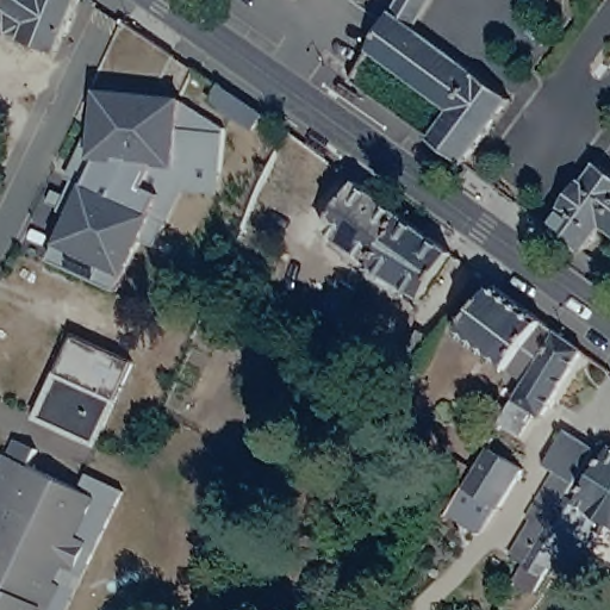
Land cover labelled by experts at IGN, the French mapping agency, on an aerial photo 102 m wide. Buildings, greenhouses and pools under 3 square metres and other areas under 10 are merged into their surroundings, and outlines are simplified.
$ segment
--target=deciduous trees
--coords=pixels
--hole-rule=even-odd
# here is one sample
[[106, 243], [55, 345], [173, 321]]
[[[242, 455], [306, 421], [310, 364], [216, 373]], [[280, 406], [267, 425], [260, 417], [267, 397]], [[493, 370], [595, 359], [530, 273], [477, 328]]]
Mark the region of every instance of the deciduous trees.
[[491, 186], [508, 174], [510, 167], [503, 155], [488, 153], [481, 157], [474, 153], [474, 157], [474, 174]]
[[589, 565], [579, 567], [577, 577], [553, 572], [553, 581], [543, 600], [546, 610], [610, 610], [610, 562], [596, 555]]
[[172, 467], [160, 455], [160, 450], [167, 446], [169, 436], [176, 429], [160, 417], [157, 410], [148, 407], [138, 412], [133, 422], [124, 419], [122, 434], [107, 429], [100, 434], [95, 446], [100, 448], [100, 453], [119, 455], [122, 462], [129, 467], [145, 467], [160, 481], [162, 491], [179, 493], [179, 486], [186, 479], [181, 477], [179, 467]]
[[415, 172], [415, 186], [424, 198], [453, 200], [462, 195], [462, 174], [448, 174], [436, 162], [419, 162], [419, 169]]
[[226, 591], [234, 586], [267, 586], [269, 581], [257, 579], [245, 562], [234, 562], [231, 555], [226, 555], [222, 548], [203, 548], [203, 555], [191, 555], [186, 565], [191, 593], [195, 589]]
[[503, 83], [522, 86], [527, 81], [534, 81], [531, 55], [517, 57], [512, 48], [505, 41], [486, 43], [481, 48], [481, 62], [491, 67]]
[[569, 0], [517, 0], [517, 5], [508, 12], [508, 26], [515, 33], [522, 33], [524, 38], [531, 45], [541, 43], [546, 48], [555, 50], [558, 43], [565, 41], [565, 36], [574, 31]]
[[403, 183], [369, 179], [362, 181], [362, 186], [357, 188], [367, 193], [374, 200], [374, 205], [384, 207], [386, 212], [393, 212], [393, 207], [398, 207], [400, 203], [407, 203]]
[[[419, 503], [417, 508], [398, 508], [396, 512], [386, 515], [374, 515], [376, 493], [372, 493], [360, 477], [343, 479], [341, 486], [336, 486], [334, 498], [319, 498], [315, 493], [298, 491], [295, 505], [293, 512], [300, 515], [300, 522], [305, 524], [298, 527], [298, 534], [305, 539], [300, 541], [295, 555], [295, 560], [303, 565], [303, 572], [298, 581], [293, 581], [298, 603], [286, 610], [379, 610], [388, 600], [398, 598], [400, 579], [410, 569], [415, 569], [417, 553], [424, 546], [429, 546], [427, 539], [434, 524], [441, 519], [446, 503], [455, 493], [455, 486], [448, 484], [441, 474], [429, 474], [422, 484], [424, 488], [429, 488], [424, 503]], [[336, 553], [353, 550], [353, 546], [365, 536], [374, 539], [376, 553], [381, 558], [374, 567], [360, 569], [357, 577], [346, 584], [346, 589], [338, 589], [338, 562], [334, 558]]]
[[193, 31], [203, 33], [214, 31], [226, 21], [231, 0], [169, 0], [169, 14], [191, 26]]
[[386, 369], [379, 362], [384, 355], [376, 353], [369, 343], [362, 343], [360, 336], [353, 336], [348, 343], [341, 343], [341, 353], [329, 353], [326, 362], [310, 360], [307, 338], [312, 334], [312, 324], [319, 319], [319, 312], [310, 310], [305, 317], [293, 317], [288, 312], [279, 312], [274, 310], [274, 291], [269, 288], [274, 281], [272, 264], [281, 257], [286, 248], [284, 234], [253, 229], [245, 243], [238, 241], [226, 245], [219, 236], [212, 236], [212, 243], [205, 250], [205, 260], [210, 260], [219, 272], [214, 281], [203, 281], [179, 272], [160, 269], [153, 264], [145, 269], [148, 293], [129, 298], [126, 303], [117, 300], [114, 305], [114, 317], [117, 324], [124, 326], [124, 334], [117, 334], [112, 341], [129, 353], [136, 348], [143, 334], [160, 336], [172, 329], [183, 331], [188, 324], [200, 326], [200, 336], [207, 343], [226, 350], [253, 350], [264, 357], [274, 357], [279, 365], [276, 372], [281, 381], [288, 386], [293, 400], [307, 398], [310, 412], [317, 419], [334, 422], [324, 441], [343, 446], [374, 417], [410, 410], [412, 386], [419, 376], [424, 376], [424, 367], [429, 365], [436, 350], [441, 331], [448, 329], [448, 319], [434, 326], [429, 334], [424, 334], [419, 343], [407, 343], [407, 357]]
[[610, 274], [603, 274], [600, 281], [591, 281], [586, 286], [589, 298], [584, 307], [591, 310], [593, 319], [610, 322]]
[[10, 112], [0, 112], [0, 167], [7, 153]]
[[539, 191], [534, 186], [522, 186], [517, 188], [519, 210], [539, 207], [543, 198], [539, 195]]
[[500, 431], [496, 429], [496, 419], [503, 412], [503, 407], [496, 405], [491, 398], [474, 393], [458, 398], [453, 405], [448, 405], [448, 412], [453, 415], [453, 422], [458, 427], [455, 443], [465, 443], [474, 453], [479, 446], [488, 443], [500, 441]]
[[567, 257], [572, 257], [569, 248], [565, 245], [541, 238], [517, 243], [515, 253], [519, 272], [539, 281], [553, 281], [565, 272]]
[[431, 610], [500, 610], [500, 605], [508, 598], [522, 598], [529, 589], [517, 586], [512, 579], [503, 574], [484, 574], [484, 565], [477, 565], [465, 577], [465, 581], [458, 584], [455, 591], [446, 600], [438, 600]]
[[284, 148], [288, 136], [284, 131], [286, 117], [276, 122], [274, 114], [257, 114], [257, 124], [262, 143], [272, 145], [274, 150]]

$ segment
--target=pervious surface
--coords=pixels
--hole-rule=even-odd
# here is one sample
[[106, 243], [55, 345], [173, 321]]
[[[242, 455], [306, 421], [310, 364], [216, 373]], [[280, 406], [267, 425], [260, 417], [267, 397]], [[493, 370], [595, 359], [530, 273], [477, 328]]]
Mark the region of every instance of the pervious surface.
[[7, 153], [14, 153], [14, 145], [24, 131], [26, 110], [48, 88], [52, 71], [57, 69], [55, 60], [41, 50], [29, 50], [7, 36], [0, 36], [0, 112], [10, 112]]
[[295, 243], [307, 245], [310, 253], [324, 257], [331, 269], [336, 267], [341, 248], [319, 234], [326, 219], [322, 219], [319, 214], [312, 207], [307, 214], [300, 214], [295, 222], [288, 222], [286, 234]]

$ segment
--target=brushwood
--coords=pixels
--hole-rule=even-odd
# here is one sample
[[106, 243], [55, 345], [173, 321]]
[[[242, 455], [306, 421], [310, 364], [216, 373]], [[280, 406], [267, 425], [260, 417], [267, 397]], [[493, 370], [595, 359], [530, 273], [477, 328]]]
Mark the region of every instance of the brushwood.
[[362, 52], [350, 71], [348, 83], [355, 86], [360, 95], [369, 95], [376, 105], [386, 107], [405, 124], [419, 129], [431, 117], [434, 102], [410, 83], [405, 83], [400, 76], [396, 76], [391, 69], [386, 69], [381, 62], [376, 62], [372, 55]]
[[238, 241], [241, 217], [262, 174], [262, 167], [253, 164], [245, 172], [224, 176], [224, 186], [214, 195], [205, 224], [193, 234], [183, 234], [188, 238], [186, 243], [193, 260], [186, 262], [179, 272], [203, 281], [214, 281], [219, 272], [210, 260], [205, 260], [205, 250], [212, 243], [212, 236], [219, 236], [226, 245]]
[[45, 262], [43, 257], [19, 257], [19, 245], [24, 241], [17, 238], [12, 241], [5, 262], [0, 264], [0, 274], [10, 276], [12, 272], [31, 272], [38, 276], [45, 269], [50, 269], [64, 274], [69, 281], [83, 286], [88, 293], [102, 295], [114, 305], [117, 300], [117, 291], [102, 288], [93, 284], [88, 276], [81, 276], [62, 264]]
[[176, 391], [176, 396], [186, 396], [195, 388], [200, 369], [198, 365], [191, 365], [186, 360], [186, 355], [198, 346], [193, 343], [193, 338], [181, 343], [179, 355], [172, 365], [176, 374], [169, 388]]
[[534, 81], [546, 81], [555, 76], [574, 43], [579, 41], [579, 36], [605, 5], [605, 0], [569, 0], [574, 31], [565, 36], [565, 41], [558, 43], [555, 50], [546, 48], [541, 57], [531, 55]]
[[69, 122], [57, 150], [57, 155], [64, 160], [76, 141], [81, 119]]
[[424, 546], [417, 553], [415, 569], [410, 569], [400, 579], [398, 598], [388, 600], [379, 610], [412, 610], [415, 598], [434, 584], [429, 569], [446, 572], [460, 558], [462, 546], [458, 529], [455, 519], [441, 519], [434, 524], [427, 539], [429, 546]]

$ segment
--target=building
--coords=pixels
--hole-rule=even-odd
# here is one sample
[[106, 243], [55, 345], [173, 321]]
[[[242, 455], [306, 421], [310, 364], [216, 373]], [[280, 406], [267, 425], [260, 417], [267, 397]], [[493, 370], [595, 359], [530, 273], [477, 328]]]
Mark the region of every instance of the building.
[[329, 200], [329, 205], [319, 214], [322, 219], [326, 219], [319, 234], [341, 248], [336, 267], [355, 269], [393, 300], [398, 300], [403, 293], [427, 293], [429, 284], [436, 288], [443, 279], [443, 274], [438, 272], [446, 264], [448, 255], [441, 253], [441, 245], [429, 243], [422, 231], [403, 224], [393, 212], [386, 212], [384, 207], [374, 205], [374, 200], [367, 193], [357, 188], [353, 183], [343, 183], [341, 191]]
[[465, 465], [460, 474], [460, 481], [455, 486], [455, 493], [446, 503], [441, 519], [455, 519], [458, 529], [465, 527], [477, 531], [481, 527], [484, 531], [491, 531], [519, 481], [529, 479], [529, 469], [519, 462], [519, 467], [512, 467], [510, 462], [500, 460], [488, 443], [479, 446], [474, 453], [477, 460], [472, 465]]
[[167, 210], [176, 193], [214, 195], [224, 186], [224, 176], [226, 133], [222, 126], [207, 122], [205, 117], [195, 114], [176, 100], [138, 93], [91, 91], [83, 86], [81, 119], [76, 141], [79, 148], [74, 150], [69, 167], [62, 169], [62, 181], [45, 183], [50, 191], [45, 195], [45, 203], [52, 207], [60, 222], [52, 234], [52, 248], [43, 257], [45, 262], [62, 264], [81, 276], [88, 276], [93, 284], [102, 288], [117, 291], [136, 253], [150, 248], [153, 241], [164, 231], [164, 226], [169, 226]]
[[10, 436], [5, 438], [5, 443], [0, 441], [0, 610], [67, 610], [122, 503], [122, 493], [102, 481], [81, 477], [79, 481], [69, 488], [36, 472], [31, 460], [38, 453], [33, 448], [17, 443]]
[[133, 374], [133, 365], [110, 357], [107, 353], [95, 348], [83, 348], [76, 341], [64, 343], [55, 369], [48, 374], [36, 398], [36, 405], [29, 412], [31, 424], [64, 441], [91, 448], [95, 446], [100, 434], [107, 429], [117, 403], [124, 398], [124, 386]]
[[479, 348], [481, 355], [498, 362], [498, 372], [508, 372], [508, 376], [517, 381], [515, 388], [508, 391], [515, 400], [503, 407], [503, 412], [496, 419], [496, 429], [500, 431], [522, 441], [534, 429], [541, 429], [546, 424], [550, 427], [550, 436], [539, 453], [539, 460], [546, 469], [543, 479], [539, 488], [531, 493], [529, 503], [524, 505], [524, 517], [508, 541], [508, 558], [503, 562], [510, 567], [512, 579], [517, 586], [529, 589], [534, 586], [541, 569], [550, 567], [553, 572], [577, 577], [579, 567], [589, 565], [596, 555], [593, 550], [596, 541], [600, 539], [600, 529], [610, 529], [610, 450], [603, 458], [591, 460], [586, 474], [581, 474], [579, 484], [574, 484], [572, 465], [577, 465], [579, 455], [589, 446], [584, 441], [577, 441], [572, 434], [553, 429], [553, 422], [560, 422], [558, 417], [565, 407], [560, 400], [567, 393], [574, 374], [589, 365], [589, 360], [574, 350], [572, 341], [567, 341], [560, 331], [548, 329], [541, 322], [534, 322], [529, 315], [522, 315], [519, 307], [510, 305], [503, 295], [498, 295], [491, 288], [474, 293], [469, 300], [465, 300], [465, 305], [453, 319], [448, 319], [448, 329], [460, 334], [460, 338], [469, 341], [474, 348]]
[[565, 245], [569, 248], [572, 257], [581, 255], [584, 250], [591, 250], [596, 248], [603, 257], [610, 257], [610, 176], [603, 174], [593, 162], [589, 162], [577, 174], [577, 179], [558, 195], [546, 224], [558, 236], [562, 236]]
[[55, 60], [64, 36], [71, 31], [71, 24], [76, 19], [79, 0], [0, 0], [0, 36], [7, 36], [29, 50], [41, 50]]
[[391, 69], [396, 76], [400, 76], [405, 83], [410, 83], [434, 102], [431, 117], [419, 129], [419, 143], [434, 150], [436, 155], [455, 160], [458, 164], [474, 157], [474, 153], [486, 136], [491, 136], [493, 124], [508, 110], [508, 100], [486, 88], [474, 74], [467, 71], [467, 67], [462, 67], [429, 38], [415, 31], [415, 24], [424, 19], [434, 0], [391, 0], [386, 12], [367, 33], [367, 45], [362, 52], [372, 55], [376, 62], [381, 62], [386, 69]]
[[255, 110], [250, 110], [248, 105], [243, 105], [241, 100], [236, 100], [217, 86], [210, 93], [214, 98], [214, 105], [229, 112], [231, 119], [241, 126], [257, 124], [257, 114]]

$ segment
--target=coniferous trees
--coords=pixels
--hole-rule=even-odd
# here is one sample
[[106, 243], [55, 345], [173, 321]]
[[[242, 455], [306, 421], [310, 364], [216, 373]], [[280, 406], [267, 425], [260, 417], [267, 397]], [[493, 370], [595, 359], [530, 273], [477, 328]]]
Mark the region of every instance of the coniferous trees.
[[419, 503], [424, 503], [429, 488], [424, 488], [422, 484], [429, 474], [441, 474], [448, 484], [455, 486], [460, 481], [460, 474], [450, 462], [455, 450], [450, 446], [441, 453], [431, 453], [424, 443], [405, 443], [405, 431], [412, 427], [410, 410], [374, 417], [343, 446], [324, 441], [303, 443], [300, 448], [295, 448], [295, 424], [281, 419], [267, 422], [262, 429], [245, 431], [243, 443], [250, 450], [250, 455], [267, 465], [276, 465], [284, 472], [284, 481], [298, 491], [315, 493], [319, 498], [334, 498], [336, 486], [341, 486], [343, 479], [360, 477], [372, 493], [376, 493], [374, 515], [386, 515], [396, 512], [398, 508], [417, 508]]
[[295, 555], [300, 541], [305, 539], [298, 534], [298, 527], [305, 524], [300, 522], [300, 515], [293, 512], [295, 505], [262, 498], [257, 505], [250, 505], [245, 512], [241, 512], [241, 524], [231, 524], [229, 519], [224, 519], [217, 491], [207, 491], [205, 498], [195, 496], [195, 512], [188, 519], [188, 531], [198, 531], [203, 536], [203, 548], [222, 548], [226, 555], [231, 555], [234, 562], [245, 562], [257, 579], [269, 581], [276, 577], [286, 577], [293, 581], [298, 581], [303, 572], [303, 565], [295, 560]]

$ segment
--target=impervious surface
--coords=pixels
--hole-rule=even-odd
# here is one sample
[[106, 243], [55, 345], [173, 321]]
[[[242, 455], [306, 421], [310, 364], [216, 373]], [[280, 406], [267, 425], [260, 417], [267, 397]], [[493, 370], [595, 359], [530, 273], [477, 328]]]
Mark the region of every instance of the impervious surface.
[[0, 441], [5, 443], [5, 438], [10, 436], [17, 443], [33, 448], [38, 453], [31, 460], [36, 472], [69, 488], [79, 481], [74, 469], [93, 462], [91, 448], [64, 441], [31, 424], [29, 412], [7, 407], [5, 403], [0, 405]]
[[[7, 153], [0, 167], [0, 264], [5, 262], [12, 241], [17, 238], [24, 241], [19, 245], [19, 257], [43, 257], [52, 248], [52, 234], [60, 222], [52, 207], [45, 203], [45, 195], [50, 191], [45, 183], [62, 181], [62, 169], [69, 167], [74, 150], [79, 148], [76, 141], [64, 160], [57, 155], [57, 150], [69, 122], [81, 119], [83, 86], [86, 67], [100, 67], [100, 60], [112, 36], [117, 38], [126, 26], [145, 41], [150, 41], [153, 45], [157, 45], [176, 62], [181, 62], [183, 67], [193, 69], [198, 76], [217, 86], [236, 100], [241, 100], [243, 105], [248, 105], [250, 110], [255, 110], [257, 114], [274, 114], [276, 122], [286, 117], [284, 131], [288, 136], [295, 136], [298, 141], [307, 143], [324, 157], [326, 164], [343, 157], [355, 160], [369, 179], [403, 183], [407, 203], [400, 203], [398, 207], [393, 207], [393, 212], [403, 224], [422, 231], [429, 243], [441, 245], [441, 253], [448, 255], [446, 264], [438, 272], [443, 274], [443, 279], [436, 288], [429, 284], [427, 293], [403, 293], [398, 300], [393, 300], [355, 269], [336, 267], [331, 269], [324, 257], [310, 253], [307, 245], [295, 243], [286, 234], [284, 234], [286, 248], [281, 257], [272, 264], [274, 281], [269, 288], [274, 291], [274, 310], [279, 312], [288, 312], [293, 317], [305, 317], [310, 310], [319, 312], [319, 319], [312, 324], [312, 334], [307, 338], [310, 360], [326, 362], [329, 353], [341, 353], [341, 343], [348, 343], [353, 336], [360, 336], [362, 343], [369, 343], [376, 353], [384, 355], [379, 362], [386, 369], [407, 357], [407, 343], [419, 343], [424, 334], [429, 334], [434, 326], [448, 319], [453, 319], [465, 305], [465, 300], [469, 300], [474, 293], [491, 288], [498, 295], [503, 295], [510, 305], [519, 307], [522, 315], [529, 315], [534, 322], [541, 322], [548, 329], [560, 331], [567, 341], [572, 341], [574, 350], [589, 360], [589, 365], [589, 372], [598, 381], [593, 398], [574, 410], [565, 407], [558, 417], [560, 422], [553, 422], [553, 429], [572, 434], [577, 441], [584, 441], [589, 446], [579, 455], [577, 465], [572, 465], [574, 484], [579, 484], [581, 474], [586, 474], [591, 460], [603, 458], [610, 450], [610, 322], [593, 319], [591, 310], [584, 307], [589, 298], [586, 286], [591, 281], [586, 272], [591, 250], [584, 250], [581, 255], [572, 257], [567, 257], [565, 272], [553, 281], [539, 281], [519, 272], [515, 253], [517, 243], [541, 238], [565, 245], [562, 236], [558, 236], [546, 224], [558, 195], [577, 179], [577, 174], [589, 162], [593, 162], [603, 174], [610, 176], [610, 0], [605, 0], [605, 5], [579, 36], [579, 41], [574, 43], [555, 76], [546, 81], [534, 81], [527, 81], [522, 86], [503, 83], [491, 67], [481, 62], [481, 48], [486, 43], [505, 41], [512, 48], [524, 38], [522, 33], [515, 33], [508, 26], [508, 12], [517, 5], [517, 0], [434, 0], [424, 19], [415, 24], [415, 31], [429, 38], [462, 67], [467, 67], [467, 71], [474, 74], [486, 88], [508, 100], [508, 110], [493, 124], [491, 136], [486, 136], [474, 153], [481, 157], [488, 153], [503, 155], [510, 167], [508, 174], [491, 186], [474, 174], [474, 157], [458, 164], [455, 160], [436, 155], [434, 150], [419, 143], [419, 129], [405, 124], [386, 107], [376, 105], [369, 95], [360, 95], [355, 86], [348, 83], [350, 71], [362, 52], [367, 45], [367, 33], [386, 12], [391, 0], [231, 0], [226, 21], [214, 31], [203, 33], [193, 31], [191, 26], [169, 14], [169, 0], [79, 0], [76, 19], [71, 24], [71, 31], [64, 36], [55, 60], [57, 69], [52, 71], [48, 88], [26, 110], [24, 131], [14, 145], [14, 153]], [[453, 200], [424, 198], [415, 186], [415, 172], [419, 169], [419, 162], [436, 162], [448, 174], [462, 174], [462, 195]], [[539, 195], [543, 198], [539, 207], [519, 210], [517, 188], [522, 186], [534, 186], [539, 191]]]
[[462, 546], [460, 558], [446, 572], [429, 569], [434, 584], [415, 598], [412, 610], [431, 610], [438, 600], [446, 600], [455, 591], [458, 584], [465, 581], [465, 577], [477, 565], [484, 565], [484, 574], [503, 574], [512, 579], [510, 567], [503, 562], [508, 558], [508, 541], [524, 517], [524, 505], [529, 503], [531, 493], [539, 488], [543, 479], [546, 469], [539, 460], [539, 453], [550, 436], [550, 427], [546, 424], [541, 429], [534, 429], [522, 441], [524, 458], [519, 462], [529, 469], [529, 479], [519, 481], [491, 531], [484, 531], [481, 527], [477, 531], [465, 527], [458, 529]]
[[281, 381], [276, 372], [279, 365], [274, 357], [264, 357], [253, 350], [226, 350], [207, 343], [205, 348], [198, 346], [186, 355], [186, 360], [191, 365], [198, 365], [200, 369], [195, 388], [186, 396], [176, 396], [176, 391], [169, 388], [164, 407], [174, 417], [193, 419], [205, 431], [219, 431], [226, 422], [241, 422], [245, 431], [262, 429], [267, 422], [281, 419], [288, 410], [288, 403], [293, 400], [288, 386]]
[[610, 529], [600, 529], [600, 539], [596, 541], [593, 550], [596, 555], [610, 562]]
[[500, 605], [500, 610], [546, 610], [543, 600], [553, 581], [553, 572], [550, 567], [541, 569], [534, 586], [529, 589], [522, 598], [508, 598]]

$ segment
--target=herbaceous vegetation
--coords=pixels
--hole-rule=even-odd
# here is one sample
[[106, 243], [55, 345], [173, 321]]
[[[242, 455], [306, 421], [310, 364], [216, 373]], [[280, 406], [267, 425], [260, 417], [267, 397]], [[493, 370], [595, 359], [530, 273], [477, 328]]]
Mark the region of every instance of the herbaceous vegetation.
[[214, 195], [176, 193], [167, 210], [169, 226], [164, 226], [164, 231], [153, 241], [150, 248], [136, 253], [117, 291], [117, 300], [126, 303], [129, 298], [148, 293], [145, 269], [153, 264], [160, 269], [179, 272], [186, 262], [193, 260], [186, 243], [188, 238], [183, 234], [193, 234], [205, 224]]
[[500, 431], [500, 441], [488, 443], [500, 460], [510, 462], [512, 467], [519, 467], [519, 462], [524, 458], [522, 441]]
[[567, 393], [560, 400], [565, 407], [574, 410], [593, 398], [598, 381], [589, 372], [589, 365], [574, 374]]
[[610, 257], [603, 257], [596, 248], [591, 250], [586, 272], [591, 281], [600, 281], [603, 274], [610, 274]]
[[541, 43], [531, 45], [524, 38], [512, 48], [517, 57], [531, 55], [541, 57], [546, 48]]
[[303, 443], [324, 441], [334, 422], [317, 419], [310, 412], [307, 398], [293, 400], [288, 403], [288, 410], [281, 419], [295, 424], [295, 448], [300, 448]]
[[515, 388], [517, 381], [508, 376], [508, 372], [498, 372], [498, 362], [481, 355], [479, 348], [474, 348], [469, 341], [460, 338], [460, 334], [448, 329], [441, 331], [436, 350], [429, 365], [424, 367], [424, 376], [419, 376], [412, 386], [410, 410], [412, 427], [405, 431], [405, 443], [424, 443], [431, 453], [441, 453], [450, 446], [455, 450], [450, 462], [460, 474], [465, 465], [472, 465], [477, 460], [474, 453], [465, 443], [455, 443], [458, 427], [453, 422], [453, 415], [448, 412], [448, 405], [453, 405], [458, 398], [474, 393], [491, 398], [496, 405], [503, 407], [515, 400], [508, 391]]
[[353, 550], [336, 553], [334, 558], [338, 562], [338, 589], [346, 589], [346, 584], [357, 577], [360, 569], [374, 567], [381, 558], [376, 553], [374, 539], [365, 536], [353, 546]]
[[312, 207], [319, 214], [329, 205], [329, 200], [341, 191], [343, 183], [353, 183], [357, 188], [362, 186], [362, 181], [369, 179], [355, 160], [343, 157], [326, 164], [324, 157], [307, 143], [298, 141], [295, 136], [288, 136], [284, 148], [274, 150], [272, 145], [262, 143], [257, 124], [241, 126], [231, 119], [229, 112], [214, 105], [214, 98], [210, 93], [217, 86], [198, 76], [193, 69], [183, 67], [181, 62], [176, 62], [157, 45], [153, 45], [150, 41], [145, 41], [126, 26], [117, 38], [112, 36], [100, 60], [100, 67], [86, 67], [83, 86], [91, 91], [138, 93], [176, 100], [195, 114], [205, 117], [207, 122], [222, 126], [226, 133], [224, 176], [245, 172], [253, 164], [262, 167], [262, 174], [241, 217], [238, 241], [245, 243], [253, 229], [284, 234], [286, 234], [288, 222], [295, 222], [300, 214], [307, 214]]
[[117, 403], [107, 429], [122, 434], [124, 419], [133, 422], [138, 412], [148, 407], [157, 410], [160, 417], [176, 429], [169, 436], [167, 446], [160, 450], [160, 455], [172, 467], [179, 467], [181, 477], [186, 479], [179, 486], [179, 493], [162, 491], [160, 481], [145, 467], [129, 467], [122, 462], [119, 455], [100, 453], [100, 448], [95, 446], [91, 448], [93, 462], [74, 469], [79, 481], [81, 477], [102, 481], [122, 493], [122, 503], [67, 610], [286, 610], [298, 603], [293, 581], [286, 577], [276, 577], [269, 581], [267, 586], [234, 586], [226, 591], [195, 589], [191, 593], [186, 565], [191, 555], [203, 555], [203, 548], [203, 536], [198, 531], [188, 531], [188, 519], [195, 512], [195, 496], [205, 498], [207, 491], [217, 491], [224, 519], [229, 519], [231, 524], [241, 524], [241, 512], [245, 512], [250, 505], [257, 505], [262, 498], [295, 505], [298, 491], [284, 481], [284, 472], [276, 465], [267, 465], [250, 455], [250, 450], [243, 443], [245, 431], [241, 422], [226, 422], [219, 431], [205, 431], [193, 419], [174, 417], [164, 407], [169, 388], [176, 374], [172, 365], [179, 355], [181, 343], [193, 338], [193, 343], [198, 346], [205, 348], [207, 343], [200, 336], [200, 326], [188, 324], [183, 331], [172, 329], [160, 336], [143, 334], [136, 348], [129, 353], [112, 341], [117, 334], [124, 334], [124, 326], [117, 324], [114, 317], [114, 305], [102, 295], [88, 293], [83, 286], [69, 281], [64, 274], [50, 269], [45, 269], [38, 276], [31, 272], [12, 272], [10, 276], [0, 274], [0, 405], [5, 403], [7, 407], [29, 412], [36, 405], [36, 398], [48, 374], [55, 369], [64, 343], [76, 341], [83, 348], [95, 348], [107, 353], [110, 357], [133, 365], [133, 374], [124, 386], [124, 398]]

